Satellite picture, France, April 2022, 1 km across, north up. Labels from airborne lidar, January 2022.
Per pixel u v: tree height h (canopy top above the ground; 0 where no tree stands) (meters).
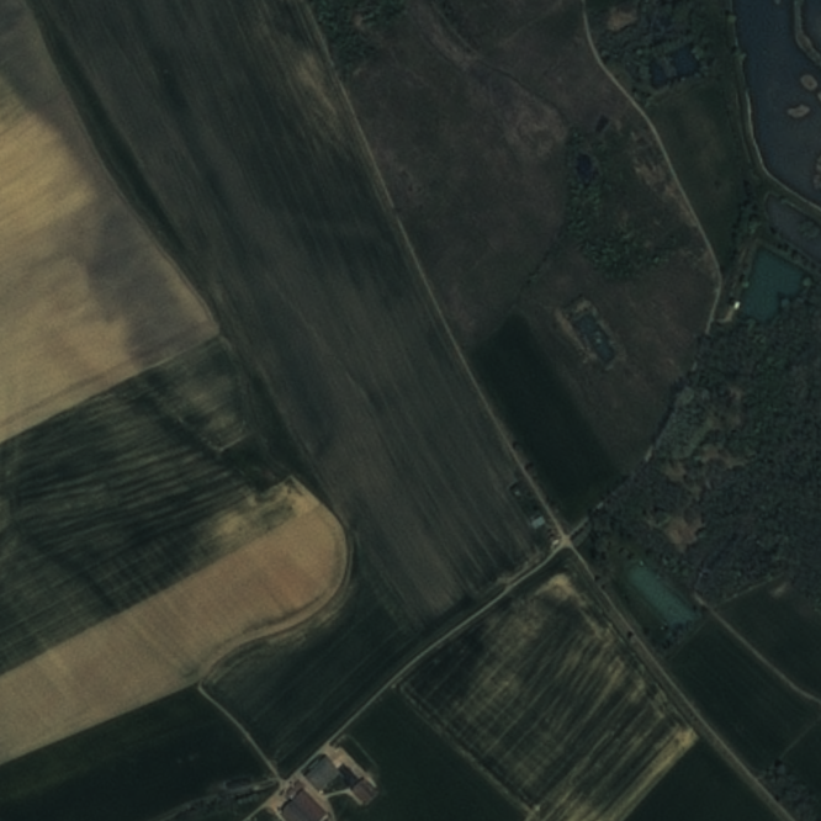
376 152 0
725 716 0
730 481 6
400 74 0
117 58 0
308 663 0
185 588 0
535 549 0
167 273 0
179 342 0
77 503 0
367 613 0
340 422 0
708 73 6
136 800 0
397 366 0
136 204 0
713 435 6
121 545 0
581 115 0
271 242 0
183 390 0
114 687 0
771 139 0
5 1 0
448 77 0
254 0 0
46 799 0
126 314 0
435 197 0
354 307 0
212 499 0
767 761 0
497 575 0
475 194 0
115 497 0
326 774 0
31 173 0
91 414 0
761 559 21
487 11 0
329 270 0
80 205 0
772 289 0
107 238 0
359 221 0
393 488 0
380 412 0
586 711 0
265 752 0
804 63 0
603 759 0
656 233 0
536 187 0
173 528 0
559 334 0
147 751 0
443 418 0
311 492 0
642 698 0
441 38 0
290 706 0
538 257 0
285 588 0
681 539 0
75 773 0
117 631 0
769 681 0
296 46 0
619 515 14
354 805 0
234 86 0
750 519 20
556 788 0
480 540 0
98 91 0
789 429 11
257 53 0
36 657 0
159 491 0
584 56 0
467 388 0
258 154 0
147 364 0
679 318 0
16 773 0
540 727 0
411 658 0
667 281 0
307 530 0
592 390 0
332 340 0
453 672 0
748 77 0
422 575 0
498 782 0
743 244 9
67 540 0
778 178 0
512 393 0
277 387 0
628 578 0
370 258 0
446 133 0
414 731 0
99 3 0
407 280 0
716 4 0
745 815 0
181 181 0
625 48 7
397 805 0
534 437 0
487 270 0
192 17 0
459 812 0
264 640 0
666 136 0
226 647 0
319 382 0
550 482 0
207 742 0
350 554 0
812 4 0
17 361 0
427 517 0
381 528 0
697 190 0
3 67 0
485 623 0
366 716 0
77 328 0
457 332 0
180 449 0
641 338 0
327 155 0
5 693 0
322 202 0
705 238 0
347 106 0
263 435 0
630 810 0
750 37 0
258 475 0
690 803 0
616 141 0
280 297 0
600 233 0
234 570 0
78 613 0
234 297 0
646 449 0
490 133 0
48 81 0
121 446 0
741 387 28
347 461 0
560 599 0
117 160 0
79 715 0
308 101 0
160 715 0
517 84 0
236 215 0
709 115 0
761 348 10
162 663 0
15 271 0
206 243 0
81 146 0
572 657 0
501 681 0
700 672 0
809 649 0
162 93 0
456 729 0
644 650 0
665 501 19
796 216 0
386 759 0
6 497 0
